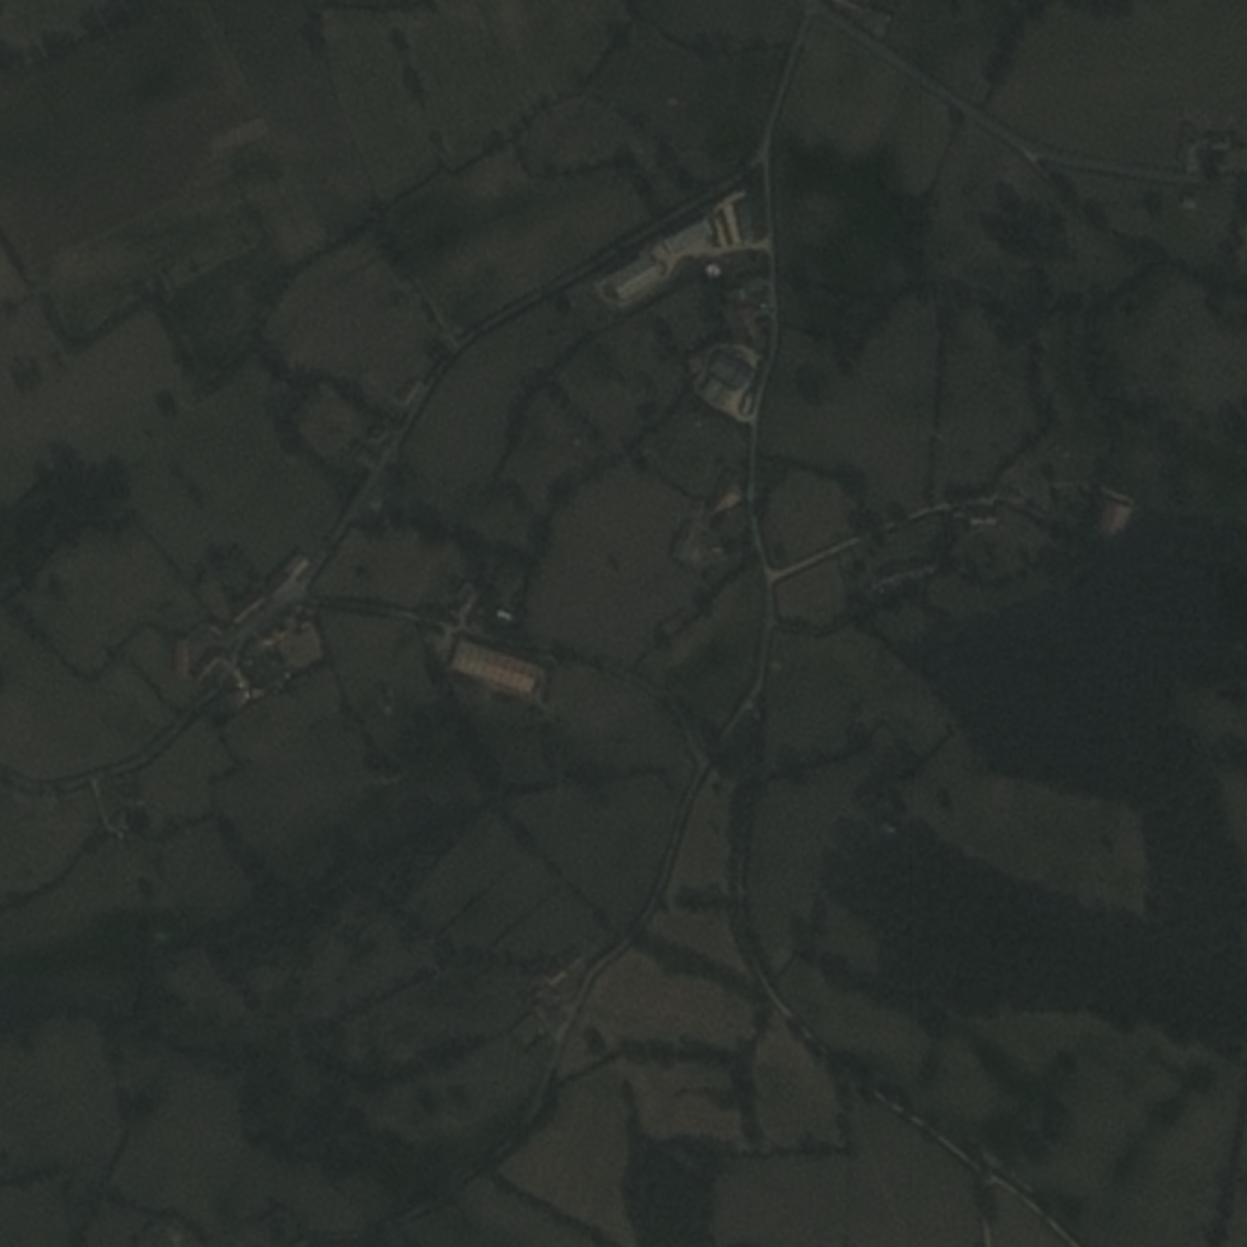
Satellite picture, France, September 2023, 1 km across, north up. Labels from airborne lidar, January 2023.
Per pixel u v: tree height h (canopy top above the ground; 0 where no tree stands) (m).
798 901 0
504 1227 0
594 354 0
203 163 0
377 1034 0
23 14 0
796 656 0
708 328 0
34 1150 0
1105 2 16
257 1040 0
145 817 7
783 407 0
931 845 13
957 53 0
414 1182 0
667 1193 14
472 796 0
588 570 0
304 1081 0
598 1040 14
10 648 0
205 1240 12
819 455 0
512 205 0
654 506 0
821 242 0
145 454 0
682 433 0
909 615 0
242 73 0
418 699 0
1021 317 11
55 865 0
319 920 7
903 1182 0
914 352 0
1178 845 16
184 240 0
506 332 0
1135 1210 0
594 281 0
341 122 0
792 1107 0
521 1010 0
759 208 0
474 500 0
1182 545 23
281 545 0
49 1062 0
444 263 0
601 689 0
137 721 0
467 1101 12
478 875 0
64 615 0
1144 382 0
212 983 0
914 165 0
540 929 0
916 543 0
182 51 0
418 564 0
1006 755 23
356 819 0
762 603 0
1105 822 0
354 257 0
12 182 0
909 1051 0
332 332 0
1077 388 0
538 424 0
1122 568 28
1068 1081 0
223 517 0
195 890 0
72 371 0
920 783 0
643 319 0
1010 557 0
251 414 0
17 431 0
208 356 0
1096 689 27
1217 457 0
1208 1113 0
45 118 0
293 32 0
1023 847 0
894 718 0
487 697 0
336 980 0
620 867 0
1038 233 16
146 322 0
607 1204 0
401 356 0
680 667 0
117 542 7
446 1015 0
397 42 14
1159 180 0
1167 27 0
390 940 0
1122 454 0
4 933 0
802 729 0
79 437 0
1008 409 0
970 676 28
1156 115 0
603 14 0
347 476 6
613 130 0
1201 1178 0
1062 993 20
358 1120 15
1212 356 0
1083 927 16
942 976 21
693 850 0
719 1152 14
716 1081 0
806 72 0
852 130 0
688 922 0
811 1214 0
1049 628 26
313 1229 0
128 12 19
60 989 0
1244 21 0
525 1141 8
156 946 10
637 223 0
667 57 0
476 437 0
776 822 0
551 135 0
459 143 0
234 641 0
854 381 0
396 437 0
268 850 0
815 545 0
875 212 0
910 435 0
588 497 0
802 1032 6
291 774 0
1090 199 0
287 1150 21
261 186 0
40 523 20
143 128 0
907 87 0
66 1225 0
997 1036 0
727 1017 0
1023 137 0
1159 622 29
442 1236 0
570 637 0
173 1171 0
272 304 11
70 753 0
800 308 0
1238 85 0
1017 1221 0
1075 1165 0
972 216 0
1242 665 29
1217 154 12
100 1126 0
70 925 0
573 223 0
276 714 0
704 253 0
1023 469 0
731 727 0
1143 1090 0
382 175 0
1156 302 0
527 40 0
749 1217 0
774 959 0
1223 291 18
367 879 14
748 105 0
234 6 0
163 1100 0
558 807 0
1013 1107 0
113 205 0
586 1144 0
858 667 0
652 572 0
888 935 15
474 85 0
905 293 7
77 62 0
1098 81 0
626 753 0
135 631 11
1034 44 0
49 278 0
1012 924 17
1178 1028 22
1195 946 15
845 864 16
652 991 0
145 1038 10
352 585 0
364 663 0
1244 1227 0
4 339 0
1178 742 17
